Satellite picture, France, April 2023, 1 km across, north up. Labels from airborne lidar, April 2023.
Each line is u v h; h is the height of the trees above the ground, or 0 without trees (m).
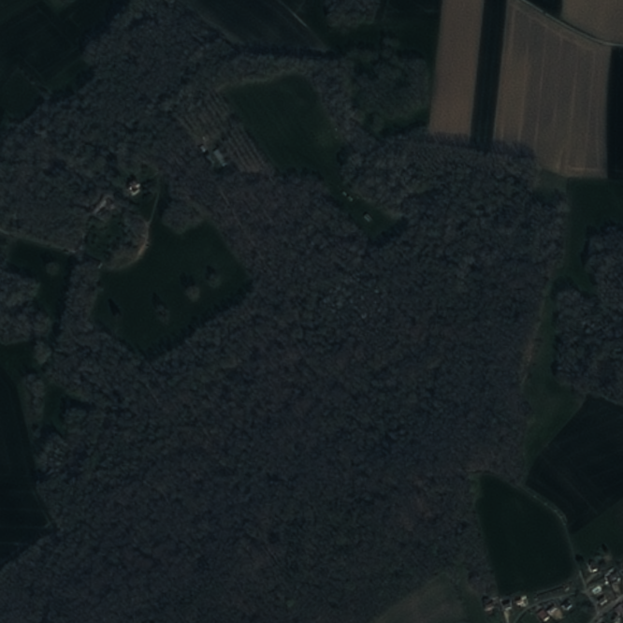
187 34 28
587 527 0
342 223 25
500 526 0
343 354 27
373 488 28
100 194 21
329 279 21
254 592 24
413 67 26
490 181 32
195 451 6
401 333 17
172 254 0
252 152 29
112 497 23
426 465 25
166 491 27
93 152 25
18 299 32
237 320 22
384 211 22
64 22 0
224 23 0
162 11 31
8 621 21
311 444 28
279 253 29
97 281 20
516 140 0
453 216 31
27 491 0
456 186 32
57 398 0
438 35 0
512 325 26
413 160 30
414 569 24
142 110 30
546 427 0
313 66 27
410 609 0
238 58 18
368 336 22
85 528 22
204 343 23
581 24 0
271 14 0
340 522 24
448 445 29
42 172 25
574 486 0
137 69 30
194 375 27
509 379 24
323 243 29
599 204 0
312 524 23
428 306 27
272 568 22
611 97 0
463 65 0
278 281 25
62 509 24
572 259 0
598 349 31
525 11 0
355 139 16
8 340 23
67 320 26
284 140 0
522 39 0
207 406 22
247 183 22
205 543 22
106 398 19
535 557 0
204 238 0
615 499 0
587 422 0
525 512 0
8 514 0
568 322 28
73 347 32
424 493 14
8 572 21
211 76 30
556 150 0
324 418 20
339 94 29
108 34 18
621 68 0
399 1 0
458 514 19
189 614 24
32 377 23
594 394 16
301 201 26
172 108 34
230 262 0
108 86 26
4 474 0
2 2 0
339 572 22
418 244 23
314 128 0
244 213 21
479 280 32
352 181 27
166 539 25
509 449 24
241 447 24
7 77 0
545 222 29
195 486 28
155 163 23
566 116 0
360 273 23
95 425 25
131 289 0
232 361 29
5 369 0
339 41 0
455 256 34
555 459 0
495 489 0
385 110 26
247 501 28
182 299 0
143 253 0
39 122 13
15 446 0
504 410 23
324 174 0
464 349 26
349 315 24
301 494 25
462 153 36
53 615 23
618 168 0
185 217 27
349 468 23
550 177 0
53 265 22
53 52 0
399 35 0
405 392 26
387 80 24
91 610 25
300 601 17
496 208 35
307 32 0
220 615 26
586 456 0
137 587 30
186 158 25
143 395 26
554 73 0
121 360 25
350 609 22
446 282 26
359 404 24
